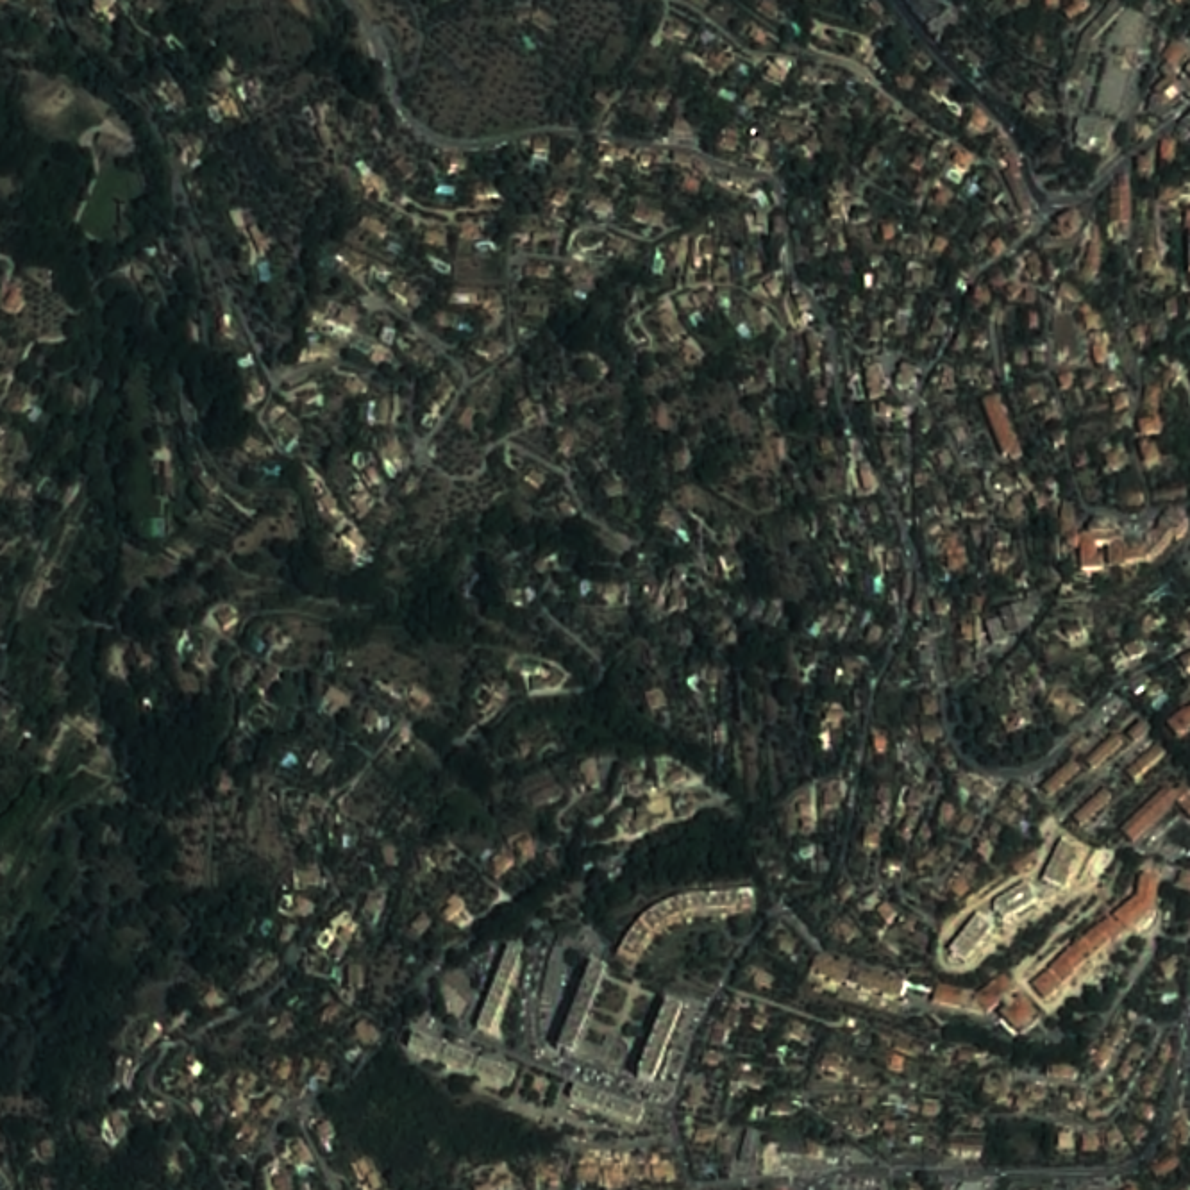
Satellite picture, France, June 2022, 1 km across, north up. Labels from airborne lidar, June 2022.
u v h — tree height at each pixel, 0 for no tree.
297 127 6
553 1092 7
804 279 8
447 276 8
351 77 20
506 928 19
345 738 8
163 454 0
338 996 7
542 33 6
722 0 8
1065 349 0
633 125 6
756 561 12
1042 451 14
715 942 20
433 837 13
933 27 0
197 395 22
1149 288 6
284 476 11
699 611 7
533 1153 7
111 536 11
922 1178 14
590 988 0
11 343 7
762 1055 6
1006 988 0
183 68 11
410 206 7
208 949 14
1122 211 0
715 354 7
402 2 6
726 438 9
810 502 9
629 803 11
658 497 6
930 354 5
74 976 19
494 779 14
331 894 9
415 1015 11
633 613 9
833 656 5
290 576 13
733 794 12
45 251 23
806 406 7
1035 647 10
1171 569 9
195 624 6
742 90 8
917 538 11
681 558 13
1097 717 0
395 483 6
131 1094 13
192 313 16
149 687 8
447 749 14
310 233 8
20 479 6
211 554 13
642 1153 6
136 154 8
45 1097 18
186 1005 14
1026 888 0
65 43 10
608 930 9
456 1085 14
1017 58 6
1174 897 10
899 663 0
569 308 6
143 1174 12
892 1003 0
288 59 6
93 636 12
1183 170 10
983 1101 13
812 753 10
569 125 7
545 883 15
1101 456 12
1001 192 8
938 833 8
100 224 0
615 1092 0
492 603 22
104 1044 15
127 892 13
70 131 0
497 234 11
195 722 23
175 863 8
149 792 18
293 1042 5
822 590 6
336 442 6
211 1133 7
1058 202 0
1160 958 8
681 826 10
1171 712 10
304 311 16
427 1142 8
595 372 15
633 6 7
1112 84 0
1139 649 0
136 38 9
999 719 9
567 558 8
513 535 8
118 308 21
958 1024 7
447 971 6
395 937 8
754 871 10
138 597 14
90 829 19
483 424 10
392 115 8
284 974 8
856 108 6
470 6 7
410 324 15
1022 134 9
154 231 8
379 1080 6
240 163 6
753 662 20
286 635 5
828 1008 6
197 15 9
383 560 8
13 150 25
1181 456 6
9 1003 17
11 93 8
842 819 6
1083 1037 11
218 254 9
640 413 7
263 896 7
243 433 12
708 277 6
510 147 11
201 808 8
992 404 0
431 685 6
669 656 7
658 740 7
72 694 14
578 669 8
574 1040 0
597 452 6
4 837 12
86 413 13
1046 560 7
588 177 6
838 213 0
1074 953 0
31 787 10
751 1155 0
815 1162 0
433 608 23
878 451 6
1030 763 10
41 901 0
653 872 8
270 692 10
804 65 7
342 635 8
